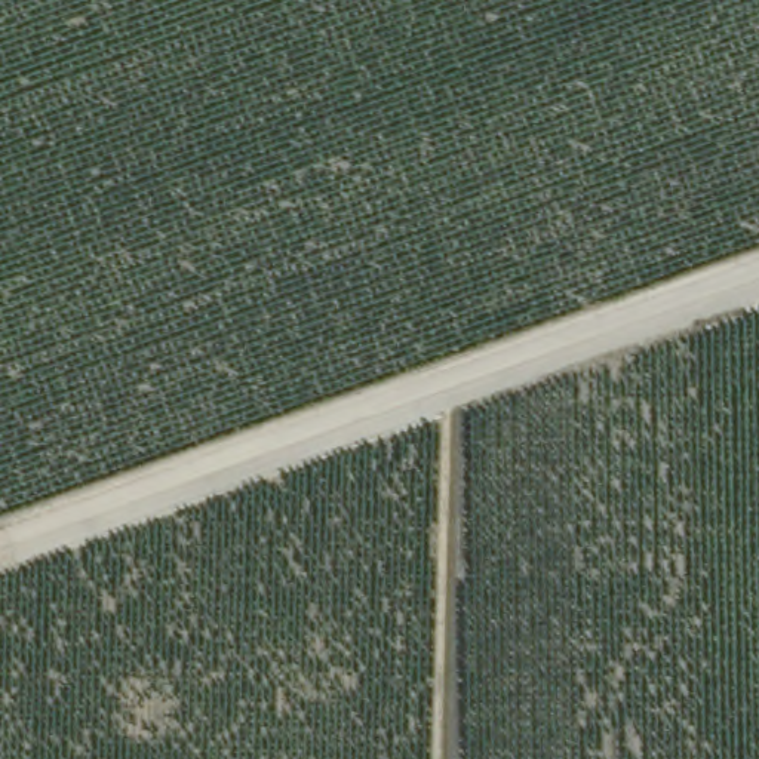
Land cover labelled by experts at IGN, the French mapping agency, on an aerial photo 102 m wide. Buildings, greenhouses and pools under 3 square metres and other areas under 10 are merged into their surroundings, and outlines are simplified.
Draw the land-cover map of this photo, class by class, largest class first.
<instances>
[{"label":"vineyard","instance_id":"1","mask_svg":"<svg viewBox=\"0 0 759 759\"><path fill-rule=\"evenodd\" d=\"M759 249V0H0V519ZM454 427L460 430L463 451L465 560V575L451 587L448 608V614L454 617L460 735L457 759H759V308L703 317L694 323L691 332H679L637 350L623 347L602 353L599 359H590L575 371L551 374L540 382L492 394L480 403H468L465 409L454 412ZM439 507V427L433 421H424L388 439L341 448L323 460H308L299 468L282 471L276 480H255L234 492L213 495L202 504L181 507L172 516L151 519L145 525H130L113 531L110 537L89 540L80 548H59L53 554H42L36 560L0 572V759H430L436 632L433 525Z\"/></svg>","mask_w":759,"mask_h":759},{"label":"pervious surface","instance_id":"2","mask_svg":"<svg viewBox=\"0 0 759 759\"><path fill-rule=\"evenodd\" d=\"M759 308V249L0 519V572L36 560L42 554H53L59 548H80L89 540L110 537L113 531L130 525H145L151 519L172 516L181 507L202 504L213 495L234 492L255 480H276L282 471L299 468L308 460H323L341 448L388 439L424 421H433L439 415L454 412L465 409L468 403H480L492 394L540 382L551 374L575 371L590 359H599L602 353L623 347L637 350L679 332H691L694 323L703 317Z\"/></svg>","mask_w":759,"mask_h":759},{"label":"herbaceous vegetation","instance_id":"3","mask_svg":"<svg viewBox=\"0 0 759 759\"><path fill-rule=\"evenodd\" d=\"M439 427V507L433 525L436 632L430 759H457L460 735L454 617L448 614V608L451 587L465 575V560L463 451L460 430L454 427V412L439 415L433 421Z\"/></svg>","mask_w":759,"mask_h":759}]
</instances>
